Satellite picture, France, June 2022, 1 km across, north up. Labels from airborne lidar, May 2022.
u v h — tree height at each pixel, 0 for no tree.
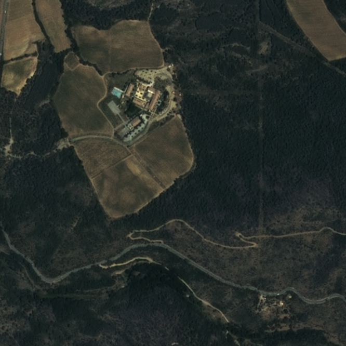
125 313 14
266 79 9
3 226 6
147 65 0
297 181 12
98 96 0
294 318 12
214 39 7
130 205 0
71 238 6
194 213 10
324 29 0
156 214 9
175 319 7
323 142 9
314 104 15
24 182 6
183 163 0
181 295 10
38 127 10
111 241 6
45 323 13
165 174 0
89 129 0
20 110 9
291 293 6
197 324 7
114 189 0
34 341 9
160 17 8
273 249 0
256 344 7
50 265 10
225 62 12
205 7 9
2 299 8
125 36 0
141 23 0
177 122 0
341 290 8
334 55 0
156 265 8
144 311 15
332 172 11
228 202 11
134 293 10
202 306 6
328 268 10
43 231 9
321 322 0
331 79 16
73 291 12
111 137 0
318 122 8
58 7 0
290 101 10
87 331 8
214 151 7
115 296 11
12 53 0
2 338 7
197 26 11
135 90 9
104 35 0
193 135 8
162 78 0
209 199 13
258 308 8
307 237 0
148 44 0
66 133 10
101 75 6
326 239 0
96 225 8
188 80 6
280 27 14
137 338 9
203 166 6
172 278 15
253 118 7
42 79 11
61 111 0
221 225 11
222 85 10
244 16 10
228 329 14
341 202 12
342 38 0
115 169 0
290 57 7
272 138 11
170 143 0
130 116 8
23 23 0
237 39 14
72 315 9
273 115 14
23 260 7
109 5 0
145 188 0
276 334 14
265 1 13
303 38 6
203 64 7
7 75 0
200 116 10
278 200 10
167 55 15
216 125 6
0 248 0
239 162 10
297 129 6
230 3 9
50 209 8
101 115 0
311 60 8
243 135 6
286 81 10
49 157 12
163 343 6
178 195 9
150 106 0
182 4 11
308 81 8
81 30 0
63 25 0
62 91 0
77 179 8
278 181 15
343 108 15
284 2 16
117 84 0
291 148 8
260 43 0
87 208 8
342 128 7
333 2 11
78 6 14
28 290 10
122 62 0
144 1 17
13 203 10
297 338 10
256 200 11
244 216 10
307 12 0
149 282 8
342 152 8
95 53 0
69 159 8
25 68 0
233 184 12
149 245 8
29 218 8
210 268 8
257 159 8
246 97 5
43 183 18
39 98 9
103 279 5
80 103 0
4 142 8
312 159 7
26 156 11
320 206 9
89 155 0
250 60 6
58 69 8
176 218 6
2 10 0
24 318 6
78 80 0
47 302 15
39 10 0
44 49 14
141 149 0
